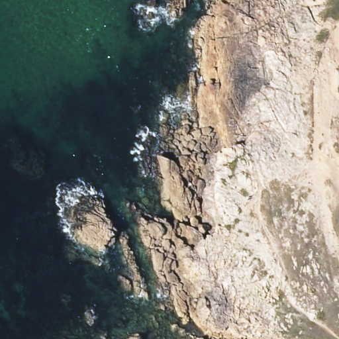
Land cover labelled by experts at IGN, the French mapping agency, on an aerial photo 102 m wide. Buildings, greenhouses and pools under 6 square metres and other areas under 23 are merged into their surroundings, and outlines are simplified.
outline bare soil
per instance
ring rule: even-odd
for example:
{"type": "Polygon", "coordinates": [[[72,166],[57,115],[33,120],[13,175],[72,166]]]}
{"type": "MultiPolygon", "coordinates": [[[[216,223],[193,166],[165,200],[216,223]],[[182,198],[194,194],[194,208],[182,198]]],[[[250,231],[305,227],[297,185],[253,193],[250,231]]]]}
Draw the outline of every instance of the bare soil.
{"type": "Polygon", "coordinates": [[[338,204],[338,207],[328,204],[328,209],[332,215],[336,237],[339,236],[339,188],[330,179],[324,181],[324,184],[334,191],[338,204]]]}
{"type": "Polygon", "coordinates": [[[56,188],[58,216],[64,225],[64,232],[74,242],[81,242],[98,252],[105,252],[106,245],[114,244],[114,233],[111,232],[110,218],[105,213],[105,195],[102,191],[86,187],[85,180],[77,179],[75,188],[60,189],[60,184],[57,184],[56,188]]]}
{"type": "Polygon", "coordinates": [[[310,195],[311,188],[298,184],[290,188],[286,183],[271,180],[269,187],[261,192],[261,212],[285,262],[285,281],[289,282],[297,302],[314,305],[318,319],[339,335],[339,261],[328,252],[322,230],[322,218],[302,209],[302,201],[310,195]]]}
{"type": "Polygon", "coordinates": [[[301,102],[301,106],[303,114],[310,117],[306,156],[307,160],[313,160],[315,83],[310,79],[309,101],[301,102]]]}
{"type": "Polygon", "coordinates": [[[176,97],[164,98],[164,105],[160,107],[159,114],[160,132],[151,131],[148,127],[144,132],[139,131],[136,134],[138,138],[135,147],[131,150],[132,158],[138,163],[142,176],[154,177],[162,185],[163,207],[175,217],[171,225],[166,218],[160,217],[155,217],[152,222],[147,222],[144,218],[138,221],[139,236],[146,246],[146,253],[151,257],[152,266],[159,279],[156,283],[159,309],[175,310],[184,324],[193,320],[204,332],[204,339],[334,339],[322,327],[311,322],[301,311],[291,306],[281,290],[281,283],[275,287],[278,299],[271,295],[270,285],[273,283],[274,275],[267,273],[265,262],[242,242],[245,237],[249,237],[249,233],[237,225],[240,218],[236,216],[237,213],[242,213],[242,208],[237,209],[233,203],[225,201],[224,196],[218,192],[226,185],[226,179],[236,177],[238,162],[254,163],[254,143],[248,139],[248,135],[258,134],[264,138],[261,142],[262,152],[265,159],[269,159],[270,162],[277,162],[277,158],[283,158],[282,152],[287,154],[289,151],[282,150],[281,139],[278,138],[277,132],[270,128],[273,113],[266,102],[269,101],[267,91],[282,89],[270,86],[273,77],[281,74],[285,79],[289,78],[287,74],[297,73],[298,65],[302,62],[301,57],[291,54],[290,45],[295,49],[301,49],[299,38],[290,37],[287,33],[287,30],[293,28],[295,33],[299,33],[299,26],[295,24],[293,15],[298,13],[302,23],[315,24],[314,15],[319,15],[324,21],[339,20],[339,0],[204,0],[207,15],[201,17],[199,23],[189,30],[191,36],[188,37],[188,48],[195,50],[199,62],[189,72],[189,81],[177,86],[176,97]]]}
{"type": "Polygon", "coordinates": [[[122,261],[127,265],[119,275],[119,281],[126,289],[123,297],[147,298],[143,278],[136,267],[132,250],[128,248],[127,238],[121,237],[122,261]]]}
{"type": "Polygon", "coordinates": [[[143,32],[152,32],[159,21],[172,25],[173,21],[179,20],[187,0],[166,0],[164,8],[136,4],[138,25],[143,32]]]}

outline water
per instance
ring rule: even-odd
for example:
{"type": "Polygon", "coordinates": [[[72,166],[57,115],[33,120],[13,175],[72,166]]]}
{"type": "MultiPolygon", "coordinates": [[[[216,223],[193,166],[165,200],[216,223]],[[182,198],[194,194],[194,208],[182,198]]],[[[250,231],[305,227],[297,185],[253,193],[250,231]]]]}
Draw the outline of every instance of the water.
{"type": "Polygon", "coordinates": [[[154,177],[142,176],[138,163],[132,158],[131,150],[135,147],[138,138],[136,134],[139,131],[144,132],[148,127],[151,131],[160,132],[159,114],[160,107],[164,105],[164,98],[176,97],[177,86],[189,81],[189,72],[199,62],[195,50],[188,48],[188,37],[191,36],[189,30],[199,23],[201,17],[207,15],[204,0],[187,0],[179,20],[173,21],[172,25],[159,21],[152,32],[143,32],[138,25],[136,4],[164,8],[166,0],[0,0],[0,339],[204,339],[204,332],[193,320],[184,324],[175,310],[159,309],[156,283],[159,279],[152,266],[151,257],[146,253],[146,246],[139,236],[138,221],[144,218],[147,222],[152,222],[155,217],[160,217],[166,218],[171,225],[175,217],[163,207],[162,185],[154,177]],[[86,187],[102,191],[105,195],[105,213],[110,218],[111,232],[114,233],[114,244],[106,245],[105,252],[98,252],[81,242],[74,242],[64,232],[64,225],[58,216],[56,188],[57,184],[60,184],[60,189],[75,188],[77,179],[85,180],[86,187]],[[128,248],[132,250],[136,267],[143,278],[147,298],[123,297],[126,289],[119,281],[119,275],[127,265],[122,261],[121,237],[127,238],[128,248]]]}

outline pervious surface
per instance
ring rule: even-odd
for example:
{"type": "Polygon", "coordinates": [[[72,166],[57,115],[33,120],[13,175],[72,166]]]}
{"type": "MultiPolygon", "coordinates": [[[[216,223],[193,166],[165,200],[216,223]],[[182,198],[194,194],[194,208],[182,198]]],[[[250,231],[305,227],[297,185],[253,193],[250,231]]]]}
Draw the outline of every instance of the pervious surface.
{"type": "Polygon", "coordinates": [[[269,187],[271,180],[286,183],[290,188],[298,184],[311,188],[310,195],[302,201],[302,209],[322,218],[322,230],[328,252],[339,261],[339,236],[336,237],[332,215],[328,209],[328,204],[338,207],[338,204],[334,191],[324,184],[324,181],[330,179],[339,188],[339,20],[324,21],[319,15],[314,15],[315,24],[302,23],[298,13],[293,15],[295,24],[299,26],[299,33],[295,33],[293,28],[287,30],[287,33],[290,37],[299,38],[301,49],[295,49],[290,45],[291,54],[301,57],[302,62],[298,65],[297,73],[287,74],[289,78],[285,79],[281,74],[273,77],[270,86],[282,89],[267,91],[269,101],[266,102],[273,113],[270,128],[277,132],[278,138],[281,139],[282,150],[289,151],[287,154],[282,152],[283,158],[277,158],[277,162],[270,162],[269,159],[265,159],[262,152],[261,142],[264,138],[258,134],[248,135],[248,139],[254,143],[254,163],[238,162],[236,177],[226,179],[226,185],[218,192],[224,196],[225,201],[233,203],[237,209],[242,208],[242,213],[237,213],[236,216],[240,218],[237,225],[249,233],[249,237],[245,237],[242,242],[265,262],[267,273],[274,275],[273,283],[270,285],[271,295],[278,299],[275,287],[281,283],[281,290],[291,306],[301,311],[311,322],[322,327],[334,339],[339,339],[339,335],[318,319],[314,305],[297,302],[289,282],[285,281],[285,262],[261,212],[261,192],[269,187]],[[301,106],[301,102],[309,101],[310,79],[315,83],[313,160],[307,160],[306,156],[310,117],[303,114],[301,106]]]}

